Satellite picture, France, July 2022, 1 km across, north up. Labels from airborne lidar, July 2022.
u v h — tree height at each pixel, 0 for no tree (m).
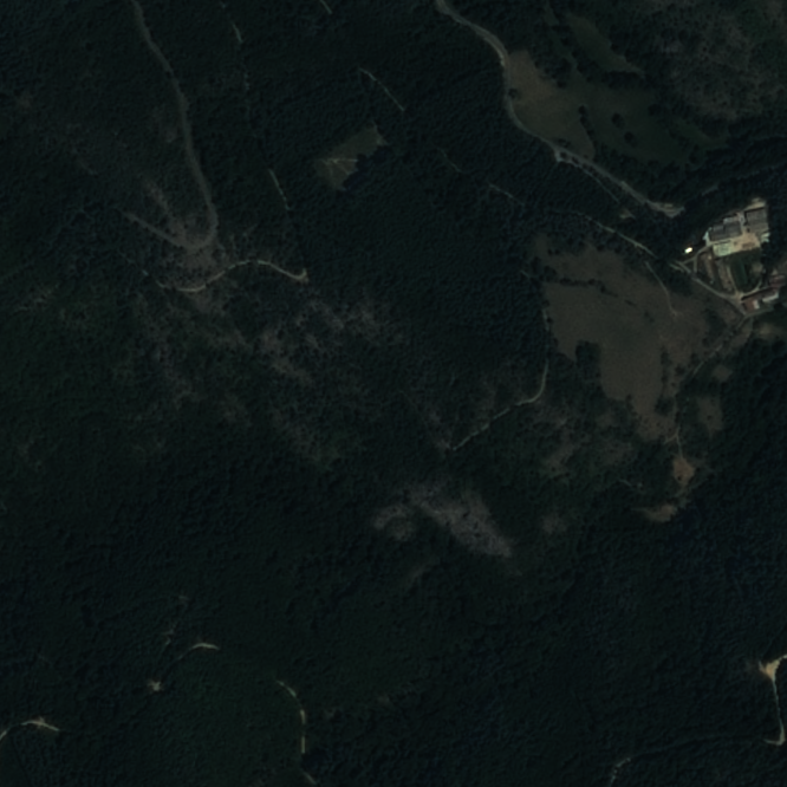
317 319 10
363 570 9
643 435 0
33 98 6
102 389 18
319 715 20
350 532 27
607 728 9
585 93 0
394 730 35
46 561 19
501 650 24
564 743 22
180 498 18
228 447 20
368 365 9
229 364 13
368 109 15
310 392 9
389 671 17
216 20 14
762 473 13
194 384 6
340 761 33
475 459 15
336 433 11
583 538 9
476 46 11
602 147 8
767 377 20
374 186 24
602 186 11
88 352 12
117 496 18
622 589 7
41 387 15
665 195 14
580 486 14
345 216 15
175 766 11
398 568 19
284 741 16
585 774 27
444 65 15
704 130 20
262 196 7
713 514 29
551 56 15
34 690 18
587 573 20
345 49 21
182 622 8
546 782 21
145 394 12
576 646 16
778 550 15
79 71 9
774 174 16
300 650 24
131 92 9
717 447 6
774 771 13
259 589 24
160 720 12
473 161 24
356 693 15
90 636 25
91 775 16
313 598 16
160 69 13
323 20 24
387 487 7
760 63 8
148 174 7
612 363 0
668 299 0
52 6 28
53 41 16
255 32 10
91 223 26
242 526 20
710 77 7
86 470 10
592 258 0
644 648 15
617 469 10
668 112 22
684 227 18
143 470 15
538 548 6
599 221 14
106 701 13
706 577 16
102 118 14
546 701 18
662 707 24
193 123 9
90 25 13
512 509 21
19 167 13
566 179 14
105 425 14
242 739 16
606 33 6
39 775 11
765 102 11
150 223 12
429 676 16
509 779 18
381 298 8
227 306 12
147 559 20
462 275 21
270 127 23
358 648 19
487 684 23
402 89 16
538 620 9
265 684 17
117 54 17
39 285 14
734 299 0
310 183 20
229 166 10
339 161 0
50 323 13
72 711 24
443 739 23
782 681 13
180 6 14
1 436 15
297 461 15
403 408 11
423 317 17
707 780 17
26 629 20
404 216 19
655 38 10
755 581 7
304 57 20
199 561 16
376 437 13
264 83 8
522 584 12
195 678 11
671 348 0
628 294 0
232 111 14
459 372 14
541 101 0
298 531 25
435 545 30
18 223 20
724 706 25
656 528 12
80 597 22
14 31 30
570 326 0
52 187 19
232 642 17
